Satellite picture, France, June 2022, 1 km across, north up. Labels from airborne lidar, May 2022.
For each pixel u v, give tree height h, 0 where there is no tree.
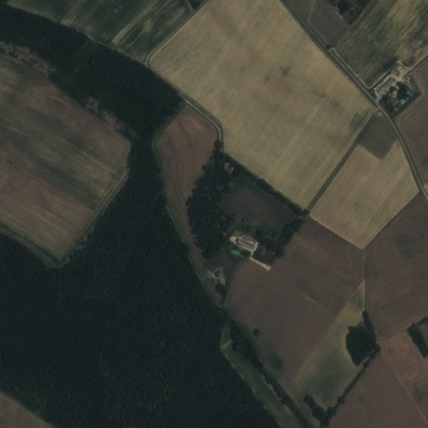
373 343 15
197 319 22
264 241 12
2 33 7
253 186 0
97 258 12
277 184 0
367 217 0
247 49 0
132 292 19
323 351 0
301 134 0
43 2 0
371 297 0
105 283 18
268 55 0
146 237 17
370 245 0
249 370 0
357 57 0
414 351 0
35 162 0
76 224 0
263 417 14
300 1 0
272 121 0
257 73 0
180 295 18
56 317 17
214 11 0
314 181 0
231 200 0
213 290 0
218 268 0
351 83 0
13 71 0
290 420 0
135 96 8
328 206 0
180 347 23
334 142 0
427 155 0
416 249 0
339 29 0
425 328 0
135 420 15
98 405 20
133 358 17
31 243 0
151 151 19
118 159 0
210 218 18
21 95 0
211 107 0
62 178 0
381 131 0
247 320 0
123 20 0
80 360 18
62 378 18
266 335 0
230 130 0
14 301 18
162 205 19
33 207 0
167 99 22
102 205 0
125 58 15
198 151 0
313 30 0
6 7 14
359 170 0
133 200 15
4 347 19
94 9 0
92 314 13
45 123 0
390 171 0
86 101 13
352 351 12
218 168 19
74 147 0
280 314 0
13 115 0
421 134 0
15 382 19
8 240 15
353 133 0
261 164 0
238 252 0
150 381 16
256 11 0
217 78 0
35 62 14
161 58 0
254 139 0
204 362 17
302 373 0
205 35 0
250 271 0
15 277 15
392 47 0
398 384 0
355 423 0
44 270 15
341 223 0
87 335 16
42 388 20
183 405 17
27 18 14
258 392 0
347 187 0
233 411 21
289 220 0
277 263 0
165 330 20
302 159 0
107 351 18
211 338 16
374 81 0
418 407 0
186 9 0
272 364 0
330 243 0
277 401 0
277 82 0
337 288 0
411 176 0
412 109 0
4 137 0
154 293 17
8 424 0
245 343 10
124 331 20
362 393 0
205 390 12
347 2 14
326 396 0
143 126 13
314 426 0
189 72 0
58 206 0
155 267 22
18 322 20
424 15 0
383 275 0
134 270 19
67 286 20
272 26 0
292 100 0
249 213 0
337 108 0
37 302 16
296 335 0
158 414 24
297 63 0
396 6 0
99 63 18
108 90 8
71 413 20
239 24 0
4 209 0
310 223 0
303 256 0
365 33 0
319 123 0
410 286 0
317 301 0
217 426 19
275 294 0
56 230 0
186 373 21
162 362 20
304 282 0
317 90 0
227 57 0
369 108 0
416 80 0
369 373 0
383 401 0
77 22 0
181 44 0
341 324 0
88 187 0
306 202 0
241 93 0
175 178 0
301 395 0
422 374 0
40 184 0
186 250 19
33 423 0
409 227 0
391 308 0
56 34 15
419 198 0
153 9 0
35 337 16
